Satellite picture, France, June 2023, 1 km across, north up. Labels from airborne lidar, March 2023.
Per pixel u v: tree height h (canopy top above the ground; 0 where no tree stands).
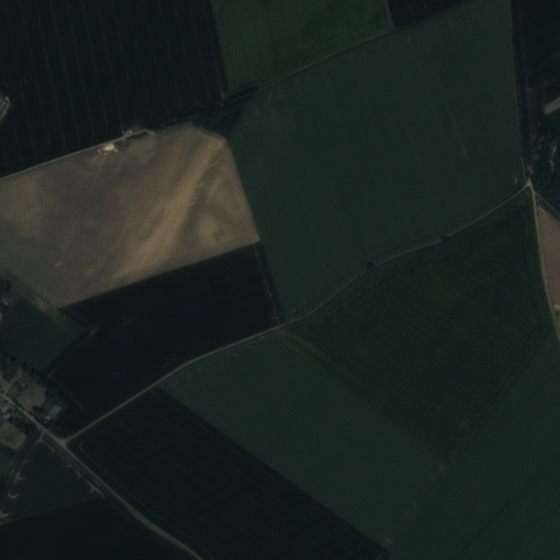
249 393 0
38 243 0
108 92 0
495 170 0
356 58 0
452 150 0
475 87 0
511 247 0
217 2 0
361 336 0
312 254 0
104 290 0
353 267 0
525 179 0
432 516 0
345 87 0
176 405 0
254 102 0
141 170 0
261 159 0
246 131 0
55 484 0
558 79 0
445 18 0
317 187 0
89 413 0
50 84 0
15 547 0
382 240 0
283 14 0
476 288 0
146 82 0
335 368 0
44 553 0
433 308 0
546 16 0
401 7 0
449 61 0
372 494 0
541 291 0
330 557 0
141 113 0
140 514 0
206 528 0
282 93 0
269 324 0
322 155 0
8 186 0
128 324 0
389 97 0
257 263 0
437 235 0
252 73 0
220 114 10
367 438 0
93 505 0
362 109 0
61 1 0
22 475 0
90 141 0
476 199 0
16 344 0
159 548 0
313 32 0
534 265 0
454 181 0
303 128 0
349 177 0
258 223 0
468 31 0
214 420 0
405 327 0
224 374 0
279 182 0
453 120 0
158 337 0
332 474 0
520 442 0
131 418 0
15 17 0
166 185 0
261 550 0
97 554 0
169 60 0
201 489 0
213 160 0
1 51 0
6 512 0
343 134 0
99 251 0
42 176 0
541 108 0
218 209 0
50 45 0
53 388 17
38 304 0
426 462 0
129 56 0
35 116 0
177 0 0
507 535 0
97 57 0
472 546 0
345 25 0
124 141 0
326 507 0
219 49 0
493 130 0
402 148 0
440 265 0
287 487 0
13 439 0
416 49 0
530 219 0
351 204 0
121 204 0
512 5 0
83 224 0
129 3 0
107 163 0
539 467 0
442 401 0
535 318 0
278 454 0
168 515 0
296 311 0
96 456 0
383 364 0
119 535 0
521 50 0
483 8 0
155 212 0
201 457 0
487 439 0
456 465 0
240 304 0
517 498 0
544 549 0
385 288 0
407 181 0
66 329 0
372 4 0
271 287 0
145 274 0
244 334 0
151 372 0
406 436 0
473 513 0
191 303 0
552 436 0
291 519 0
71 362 0
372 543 0
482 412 0
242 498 0
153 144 0
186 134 0
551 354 0
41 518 0
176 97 0
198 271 0
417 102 0
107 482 0
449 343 0
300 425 0
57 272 0
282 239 0
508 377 0
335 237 0
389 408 0
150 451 0
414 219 0
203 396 0
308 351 0
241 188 0
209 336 0
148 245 0
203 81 0
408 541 0
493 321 0
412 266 0
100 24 0
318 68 0
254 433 0
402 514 0
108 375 0
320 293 0
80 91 0
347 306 0
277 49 0
